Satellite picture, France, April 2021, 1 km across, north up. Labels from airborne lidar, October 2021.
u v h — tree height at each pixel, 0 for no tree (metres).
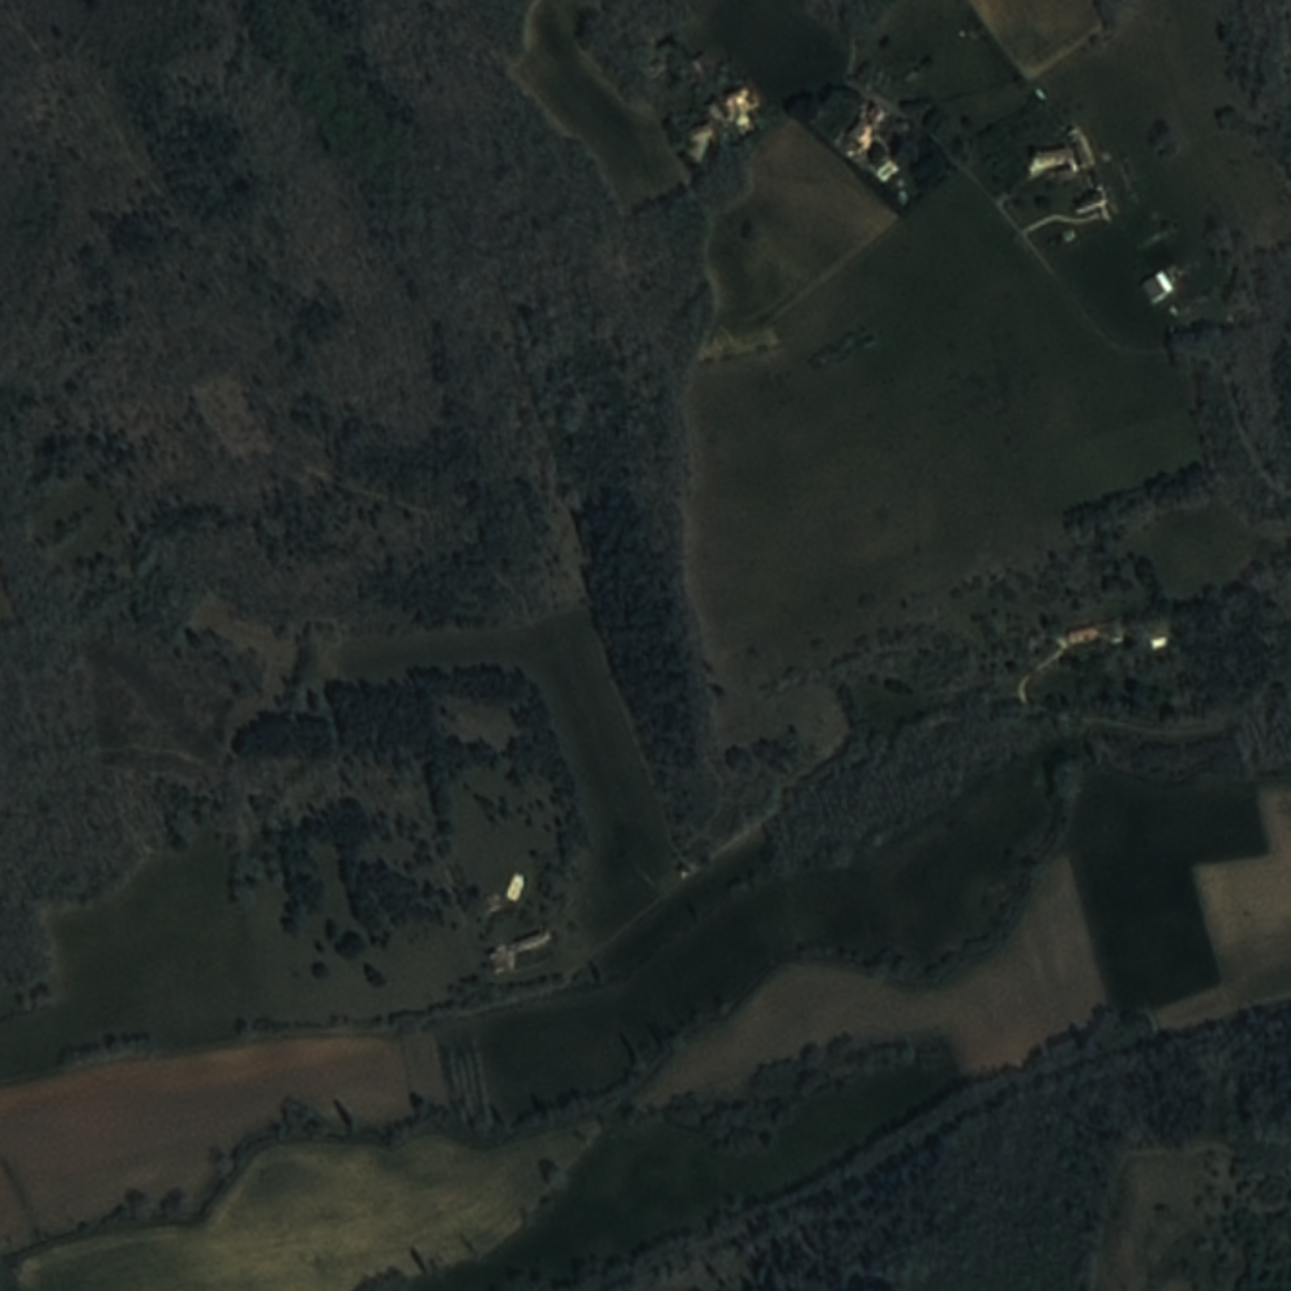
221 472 13
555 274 10
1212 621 20
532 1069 0
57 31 11
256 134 16
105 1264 0
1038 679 11
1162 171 0
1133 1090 14
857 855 6
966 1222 13
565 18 0
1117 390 0
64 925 0
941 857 0
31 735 21
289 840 16
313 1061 0
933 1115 15
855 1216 13
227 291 15
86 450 10
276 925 0
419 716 14
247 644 0
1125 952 0
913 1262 14
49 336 12
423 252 17
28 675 16
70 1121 0
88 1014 0
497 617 16
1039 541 0
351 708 15
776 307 0
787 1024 0
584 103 0
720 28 0
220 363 13
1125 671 14
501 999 9
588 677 0
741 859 0
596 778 0
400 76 10
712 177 19
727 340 0
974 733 22
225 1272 0
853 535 0
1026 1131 14
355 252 15
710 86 6
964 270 0
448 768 15
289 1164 0
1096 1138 16
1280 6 15
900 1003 0
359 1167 0
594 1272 10
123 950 0
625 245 12
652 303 14
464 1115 21
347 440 12
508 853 0
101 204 11
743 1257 15
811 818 16
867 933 0
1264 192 0
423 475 15
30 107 14
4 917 20
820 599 0
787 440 0
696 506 0
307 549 11
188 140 13
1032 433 0
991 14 0
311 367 12
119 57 7
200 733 0
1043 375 0
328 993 0
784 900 0
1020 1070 7
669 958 0
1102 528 12
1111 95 0
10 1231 0
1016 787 0
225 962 0
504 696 17
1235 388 18
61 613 19
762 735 0
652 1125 10
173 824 13
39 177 10
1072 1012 0
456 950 0
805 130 7
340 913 0
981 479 0
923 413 0
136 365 8
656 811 0
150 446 8
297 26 19
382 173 17
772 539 0
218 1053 0
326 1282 0
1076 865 0
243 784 14
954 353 0
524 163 18
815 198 0
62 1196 0
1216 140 0
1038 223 0
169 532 14
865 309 0
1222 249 16
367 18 11
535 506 17
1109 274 0
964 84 0
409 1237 0
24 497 15
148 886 0
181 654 11
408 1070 0
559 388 10
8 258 11
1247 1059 18
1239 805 0
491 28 18
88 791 18
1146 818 0
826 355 6
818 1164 0
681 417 16
